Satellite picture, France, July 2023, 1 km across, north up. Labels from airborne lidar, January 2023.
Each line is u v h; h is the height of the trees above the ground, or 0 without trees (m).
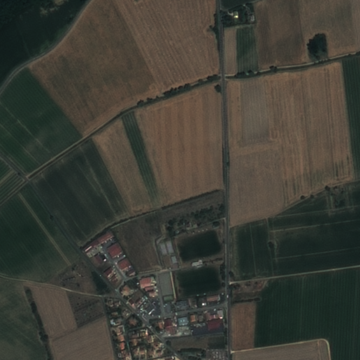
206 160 0
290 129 0
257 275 0
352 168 0
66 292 0
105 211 0
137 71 0
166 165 0
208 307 0
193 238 0
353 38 0
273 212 0
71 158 0
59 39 0
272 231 0
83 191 0
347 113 0
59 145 0
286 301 0
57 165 0
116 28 0
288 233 0
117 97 0
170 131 0
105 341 0
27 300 0
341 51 0
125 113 0
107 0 0
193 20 0
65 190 0
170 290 0
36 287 0
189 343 0
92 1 0
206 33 0
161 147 0
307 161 0
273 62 0
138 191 0
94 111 0
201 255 0
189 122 0
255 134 0
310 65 0
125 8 0
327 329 0
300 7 0
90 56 0
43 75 0
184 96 0
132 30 0
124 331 0
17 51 0
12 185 0
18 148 0
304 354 0
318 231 0
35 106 0
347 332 0
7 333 0
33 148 0
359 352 0
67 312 0
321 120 0
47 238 0
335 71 0
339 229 0
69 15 0
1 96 0
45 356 0
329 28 0
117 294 0
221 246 0
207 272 0
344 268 0
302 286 0
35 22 0
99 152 0
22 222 0
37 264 0
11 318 0
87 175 0
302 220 0
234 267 0
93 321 0
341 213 0
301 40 0
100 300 0
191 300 0
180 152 0
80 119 0
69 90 0
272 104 0
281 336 0
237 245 0
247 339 0
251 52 0
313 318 0
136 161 0
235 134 0
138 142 0
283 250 0
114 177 0
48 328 0
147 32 0
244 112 0
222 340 0
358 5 0
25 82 0
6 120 0
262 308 0
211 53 0
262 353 0
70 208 0
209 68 0
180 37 0
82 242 0
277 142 0
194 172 0
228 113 0
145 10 0
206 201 0
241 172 0
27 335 0
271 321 0
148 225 0
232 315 0
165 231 0
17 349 0
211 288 0
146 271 0
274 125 0
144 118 0
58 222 0
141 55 0
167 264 0
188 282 0
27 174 0
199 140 0
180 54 0
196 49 0
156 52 0
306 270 0
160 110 0
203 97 0
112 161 0
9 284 0
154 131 0
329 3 0
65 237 0
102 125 0
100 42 0
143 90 0
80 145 0
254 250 0
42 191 0
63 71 0
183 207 0
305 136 0
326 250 0
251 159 0
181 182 0
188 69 0
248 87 0
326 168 0
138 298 0
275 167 0
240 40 0
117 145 0
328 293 0
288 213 0
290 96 0
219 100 0
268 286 0
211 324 0
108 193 0
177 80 0
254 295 0
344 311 0
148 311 0
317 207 0
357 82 0
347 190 0
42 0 7
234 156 0
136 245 0
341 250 0
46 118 0
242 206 0
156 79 0
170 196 0
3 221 0
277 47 0
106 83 0
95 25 0
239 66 0
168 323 0
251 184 0
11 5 30
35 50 0
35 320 0
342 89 0
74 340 0
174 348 0
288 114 0
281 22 0
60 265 0
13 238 0
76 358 0
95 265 0
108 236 0
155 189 0
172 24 0
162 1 0
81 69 0
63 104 0
